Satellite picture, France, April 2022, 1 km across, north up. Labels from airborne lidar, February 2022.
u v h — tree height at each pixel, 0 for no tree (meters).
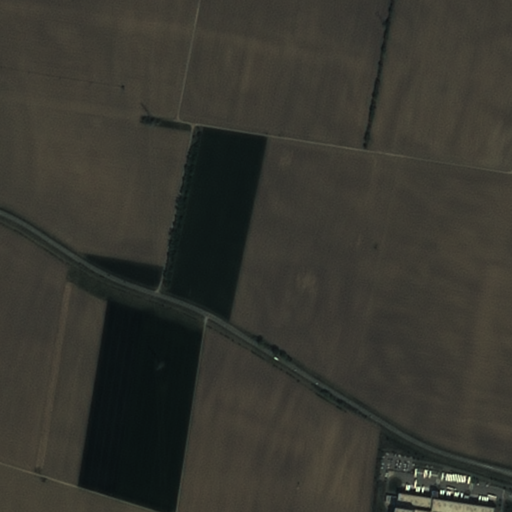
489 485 0
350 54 0
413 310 0
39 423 0
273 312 0
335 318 0
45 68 0
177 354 0
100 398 0
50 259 0
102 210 0
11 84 0
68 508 0
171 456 0
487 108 0
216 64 0
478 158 0
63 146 0
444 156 0
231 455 0
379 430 0
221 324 0
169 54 0
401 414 0
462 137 0
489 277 0
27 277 0
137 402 0
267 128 0
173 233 12
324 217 0
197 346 0
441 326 0
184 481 0
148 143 0
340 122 0
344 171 0
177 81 0
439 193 0
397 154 0
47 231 0
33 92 0
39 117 0
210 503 0
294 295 0
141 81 0
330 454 0
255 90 0
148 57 0
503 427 0
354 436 0
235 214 0
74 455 0
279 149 0
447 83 0
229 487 0
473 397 0
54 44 0
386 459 0
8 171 0
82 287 0
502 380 0
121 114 0
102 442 0
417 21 0
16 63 0
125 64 0
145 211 0
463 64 0
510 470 0
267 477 0
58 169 0
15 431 0
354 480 0
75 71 0
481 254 0
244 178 0
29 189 0
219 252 0
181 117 0
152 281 0
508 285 0
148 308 0
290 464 0
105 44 0
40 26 0
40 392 0
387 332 0
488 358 0
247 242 0
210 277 0
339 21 0
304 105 0
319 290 0
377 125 0
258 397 0
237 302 0
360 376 0
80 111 0
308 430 0
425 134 0
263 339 11
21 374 0
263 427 0
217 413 0
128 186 0
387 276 0
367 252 0
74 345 0
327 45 0
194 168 6
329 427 0
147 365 0
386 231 0
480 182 0
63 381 0
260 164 0
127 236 0
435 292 0
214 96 0
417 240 0
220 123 0
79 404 0
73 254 0
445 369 0
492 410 0
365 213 0
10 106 0
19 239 0
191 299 0
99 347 0
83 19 0
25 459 0
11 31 0
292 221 0
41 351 0
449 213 0
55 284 0
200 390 0
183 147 0
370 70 0
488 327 0
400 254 0
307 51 0
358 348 0
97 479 0
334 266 0
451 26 0
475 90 0
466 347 0
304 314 0
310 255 0
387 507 0
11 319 0
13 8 0
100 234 0
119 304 0
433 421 0
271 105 0
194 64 0
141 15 0
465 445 0
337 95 0
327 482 0
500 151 0
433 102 0
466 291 0
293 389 0
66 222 0
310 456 0
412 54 0
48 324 0
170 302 0
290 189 0
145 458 0
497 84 0
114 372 0
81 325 0
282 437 0
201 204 0
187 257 0
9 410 0
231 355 0
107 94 0
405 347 0
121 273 0
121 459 0
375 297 0
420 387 0
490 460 0
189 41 0
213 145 0
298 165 0
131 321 0
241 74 0
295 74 0
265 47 0
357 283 0
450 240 0
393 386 0
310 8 0
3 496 0
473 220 0
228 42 0
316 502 0
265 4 0
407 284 0
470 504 0
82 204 0
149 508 0
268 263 0
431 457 0
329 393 9
